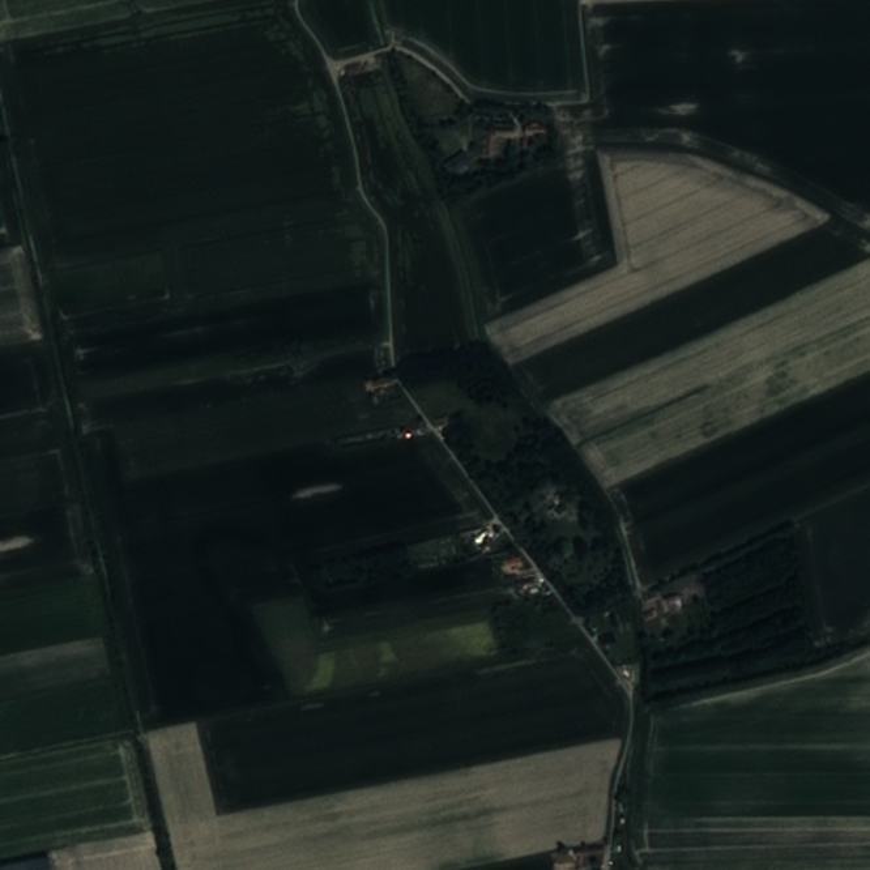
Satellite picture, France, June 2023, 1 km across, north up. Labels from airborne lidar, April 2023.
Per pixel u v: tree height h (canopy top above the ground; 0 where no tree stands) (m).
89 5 0
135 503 0
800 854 0
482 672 0
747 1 0
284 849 0
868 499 0
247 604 0
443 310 0
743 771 0
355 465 0
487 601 0
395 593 0
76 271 0
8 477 0
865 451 0
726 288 0
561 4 0
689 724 0
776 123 0
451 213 0
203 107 0
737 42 0
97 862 0
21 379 0
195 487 0
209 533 0
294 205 0
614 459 0
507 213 0
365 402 0
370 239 0
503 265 0
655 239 0
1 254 0
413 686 0
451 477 0
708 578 12
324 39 0
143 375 0
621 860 0
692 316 0
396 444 0
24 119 0
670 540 0
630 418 0
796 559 13
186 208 0
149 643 0
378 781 0
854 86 0
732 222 0
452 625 0
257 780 0
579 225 0
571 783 0
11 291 0
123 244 0
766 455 0
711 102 0
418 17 0
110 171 0
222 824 0
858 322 0
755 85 0
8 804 0
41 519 0
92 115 0
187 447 0
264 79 0
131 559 0
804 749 0
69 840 0
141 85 0
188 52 0
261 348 0
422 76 0
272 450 0
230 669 0
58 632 0
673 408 0
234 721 0
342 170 0
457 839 0
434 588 0
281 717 0
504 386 27
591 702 0
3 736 0
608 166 0
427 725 0
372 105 0
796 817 0
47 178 0
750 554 14
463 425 26
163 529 0
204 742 0
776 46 0
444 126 12
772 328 0
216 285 0
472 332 0
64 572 0
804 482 0
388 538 0
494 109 13
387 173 0
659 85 0
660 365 0
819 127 0
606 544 13
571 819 0
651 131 0
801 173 0
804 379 0
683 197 0
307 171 0
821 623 0
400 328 0
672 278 0
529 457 16
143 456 0
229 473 0
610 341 0
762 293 0
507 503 14
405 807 0
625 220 0
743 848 0
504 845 0
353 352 0
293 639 0
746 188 0
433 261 0
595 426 0
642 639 10
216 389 0
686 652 9
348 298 0
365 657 0
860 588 0
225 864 0
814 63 0
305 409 0
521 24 0
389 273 0
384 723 0
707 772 0
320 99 0
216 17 0
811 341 0
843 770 0
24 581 0
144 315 0
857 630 0
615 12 0
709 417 0
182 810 0
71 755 0
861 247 0
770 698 0
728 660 9
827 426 0
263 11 0
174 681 0
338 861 0
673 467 0
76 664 0
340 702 0
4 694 0
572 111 0
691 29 0
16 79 0
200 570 0
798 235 0
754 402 0
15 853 0
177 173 0
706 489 0
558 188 0
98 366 0
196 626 0
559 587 15
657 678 10
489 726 0
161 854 9
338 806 0
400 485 0
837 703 0
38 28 0
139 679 0
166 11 0
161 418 0
